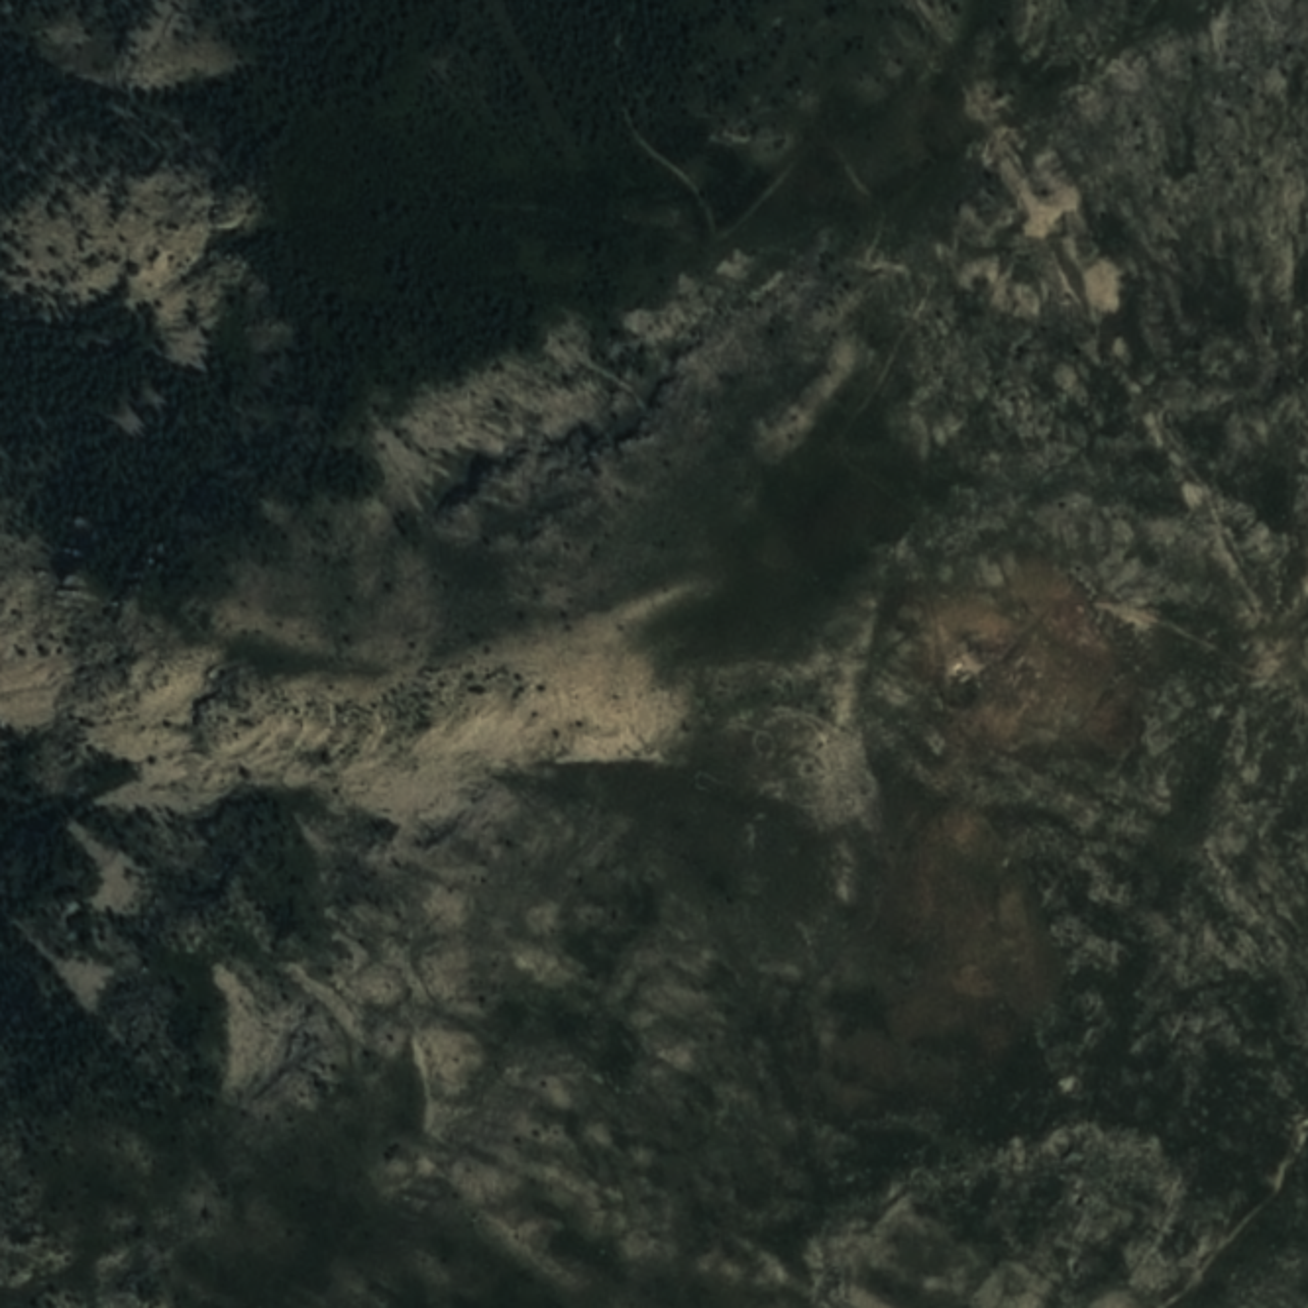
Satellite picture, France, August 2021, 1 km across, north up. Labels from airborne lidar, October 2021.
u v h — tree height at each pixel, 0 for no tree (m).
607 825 0
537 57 8
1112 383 0
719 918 0
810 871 0
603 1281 0
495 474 0
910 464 0
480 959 0
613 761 0
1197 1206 0
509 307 6
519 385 0
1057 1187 0
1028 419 0
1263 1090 0
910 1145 0
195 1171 0
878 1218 0
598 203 23
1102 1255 0
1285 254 0
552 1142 0
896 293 0
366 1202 0
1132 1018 0
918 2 0
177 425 16
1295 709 0
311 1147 0
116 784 0
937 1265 0
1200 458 0
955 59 0
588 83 8
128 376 18
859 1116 0
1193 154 0
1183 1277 0
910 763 0
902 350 0
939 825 0
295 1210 0
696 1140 0
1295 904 0
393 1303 0
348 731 0
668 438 0
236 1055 0
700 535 0
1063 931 0
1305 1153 0
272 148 12
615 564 0
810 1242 0
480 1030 0
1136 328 0
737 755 0
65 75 11
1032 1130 0
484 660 0
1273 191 0
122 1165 0
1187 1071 0
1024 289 0
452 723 0
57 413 13
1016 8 0
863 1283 0
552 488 0
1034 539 0
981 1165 0
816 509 0
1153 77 0
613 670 0
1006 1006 0
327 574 0
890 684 0
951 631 0
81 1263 0
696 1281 0
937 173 0
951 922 0
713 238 0
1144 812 0
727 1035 0
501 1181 0
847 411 0
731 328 0
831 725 0
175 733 0
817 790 0
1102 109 0
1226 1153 0
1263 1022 0
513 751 0
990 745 0
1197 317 0
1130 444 0
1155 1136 0
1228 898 0
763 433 0
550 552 0
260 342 0
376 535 0
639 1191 0
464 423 0
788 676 0
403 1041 0
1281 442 0
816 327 0
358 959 0
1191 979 0
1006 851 0
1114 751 0
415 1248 0
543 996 0
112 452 13
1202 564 0
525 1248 0
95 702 0
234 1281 0
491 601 0
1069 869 0
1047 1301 0
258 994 0
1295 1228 0
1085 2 0
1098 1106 0
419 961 0
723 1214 0
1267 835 0
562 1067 0
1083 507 0
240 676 0
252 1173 0
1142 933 0
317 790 0
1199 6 0
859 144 0
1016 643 0
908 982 0
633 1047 0
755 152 0
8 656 0
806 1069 0
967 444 0
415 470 0
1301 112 0
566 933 0
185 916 0
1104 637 0
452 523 0
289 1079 0
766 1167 0
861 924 0
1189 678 0
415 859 0
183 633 0
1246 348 0
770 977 0
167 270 0
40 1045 10
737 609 0
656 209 0
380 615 0
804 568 0
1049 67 0
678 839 0
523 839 0
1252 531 0
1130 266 0
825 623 0
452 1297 0
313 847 0
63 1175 0
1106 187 0
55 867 6
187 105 13
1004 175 0
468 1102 0
